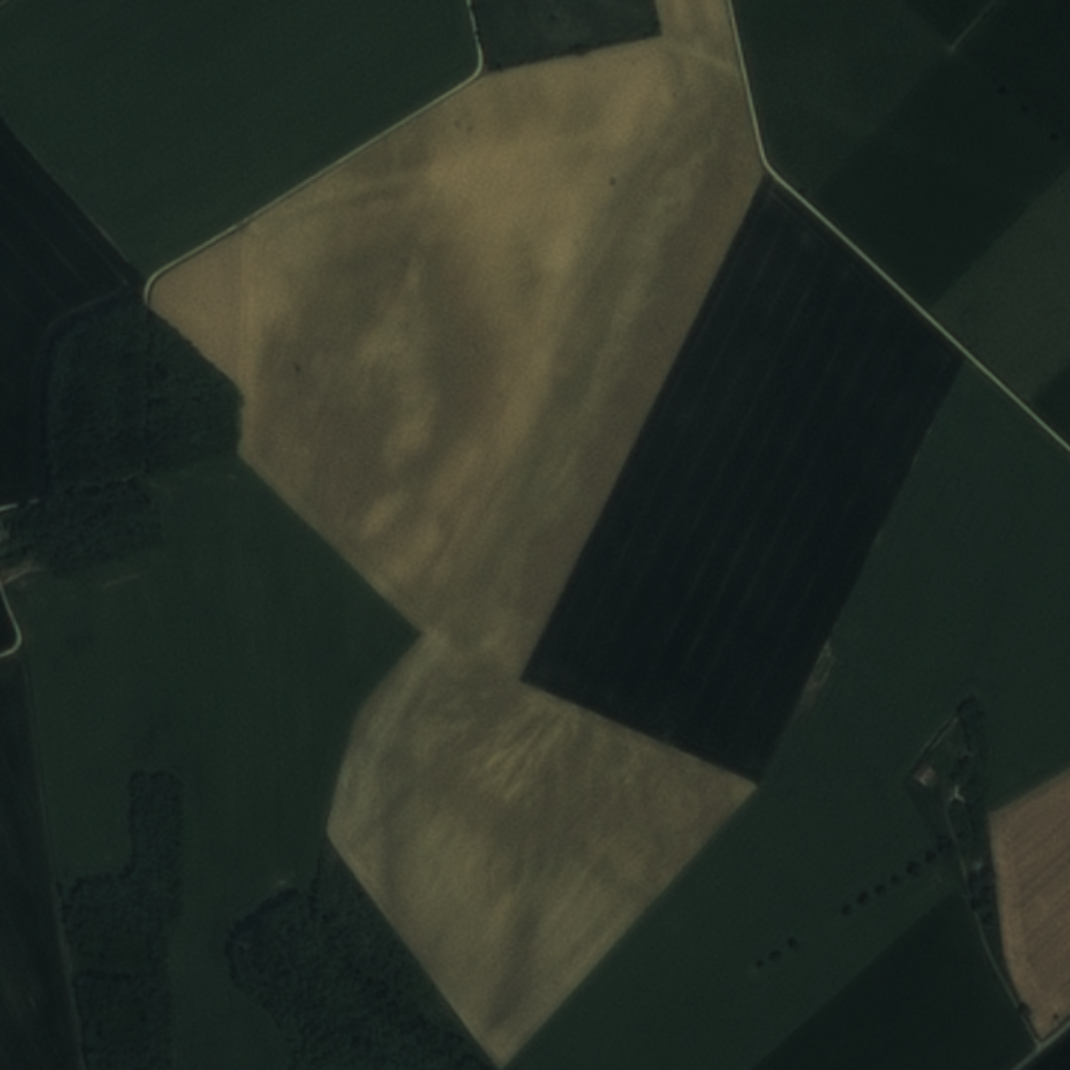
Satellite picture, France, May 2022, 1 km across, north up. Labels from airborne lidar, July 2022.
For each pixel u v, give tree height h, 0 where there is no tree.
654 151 0
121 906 17
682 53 0
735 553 0
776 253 0
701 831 0
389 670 0
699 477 0
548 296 0
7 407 0
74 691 0
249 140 0
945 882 0
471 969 0
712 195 0
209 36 0
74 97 0
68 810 0
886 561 0
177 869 16
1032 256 0
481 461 0
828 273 0
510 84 0
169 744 0
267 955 21
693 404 0
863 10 0
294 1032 17
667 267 0
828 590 0
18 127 0
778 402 0
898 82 0
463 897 0
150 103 0
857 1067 0
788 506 0
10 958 0
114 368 26
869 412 0
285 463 0
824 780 0
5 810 0
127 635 0
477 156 0
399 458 0
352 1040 22
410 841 0
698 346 0
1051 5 0
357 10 0
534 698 0
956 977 0
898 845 0
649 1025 0
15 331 0
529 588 0
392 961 13
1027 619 0
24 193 0
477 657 0
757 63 0
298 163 0
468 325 0
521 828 0
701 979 0
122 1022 11
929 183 0
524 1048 0
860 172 0
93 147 0
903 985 0
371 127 0
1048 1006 0
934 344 0
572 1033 0
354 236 0
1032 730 0
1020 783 0
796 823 0
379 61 0
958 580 0
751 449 0
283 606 0
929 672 0
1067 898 0
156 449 21
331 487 0
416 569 0
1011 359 0
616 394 0
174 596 0
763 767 0
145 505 15
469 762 0
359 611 0
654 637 0
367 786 0
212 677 0
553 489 0
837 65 0
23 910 0
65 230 0
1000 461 0
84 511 22
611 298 0
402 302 0
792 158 0
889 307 0
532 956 0
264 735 0
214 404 28
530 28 0
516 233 0
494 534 0
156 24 0
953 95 0
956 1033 0
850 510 0
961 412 0
